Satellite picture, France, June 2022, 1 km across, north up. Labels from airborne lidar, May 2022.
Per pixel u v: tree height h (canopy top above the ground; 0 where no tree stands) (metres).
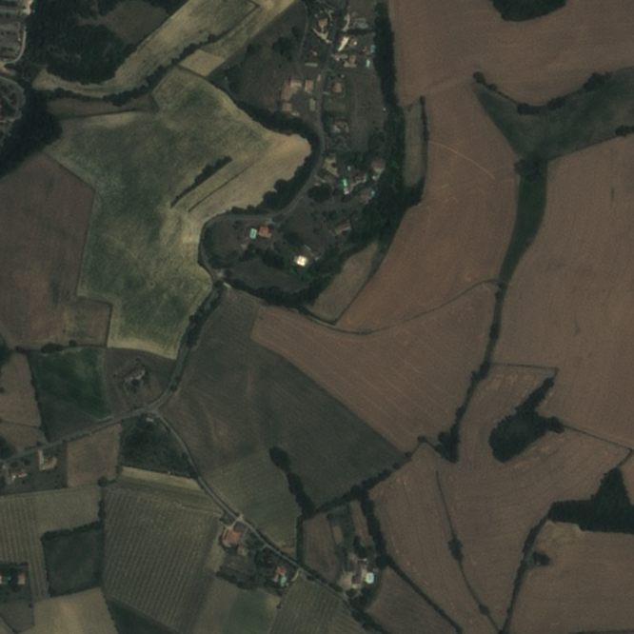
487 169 0
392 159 7
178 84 0
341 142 6
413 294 0
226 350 0
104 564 0
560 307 0
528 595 0
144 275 0
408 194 7
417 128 0
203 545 0
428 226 0
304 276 11
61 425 0
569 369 0
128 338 0
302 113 0
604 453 0
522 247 0
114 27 0
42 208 0
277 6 0
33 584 0
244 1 0
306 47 7
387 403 0
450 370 0
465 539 0
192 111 0
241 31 0
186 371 0
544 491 0
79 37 13
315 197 17
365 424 0
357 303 0
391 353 0
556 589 0
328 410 0
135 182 0
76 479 0
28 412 0
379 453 0
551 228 0
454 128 0
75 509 0
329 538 0
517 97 0
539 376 0
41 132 10
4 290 0
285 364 0
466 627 0
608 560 0
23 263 0
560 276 0
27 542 0
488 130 0
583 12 0
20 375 0
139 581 0
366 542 0
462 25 0
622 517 12
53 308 0
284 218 9
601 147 0
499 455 17
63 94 16
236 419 0
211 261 9
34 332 0
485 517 0
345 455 0
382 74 11
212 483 0
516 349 0
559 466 0
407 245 0
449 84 0
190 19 0
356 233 9
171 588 0
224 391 0
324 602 0
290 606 0
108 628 0
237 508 0
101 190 0
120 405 0
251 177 0
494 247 0
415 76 0
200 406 0
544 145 0
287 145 0
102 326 0
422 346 0
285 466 23
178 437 0
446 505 0
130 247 0
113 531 0
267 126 14
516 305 0
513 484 0
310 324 0
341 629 0
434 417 0
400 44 0
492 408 0
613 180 0
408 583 8
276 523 0
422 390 0
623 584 0
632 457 0
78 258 0
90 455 0
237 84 8
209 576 0
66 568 0
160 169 0
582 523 9
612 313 0
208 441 0
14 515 0
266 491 0
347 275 0
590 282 0
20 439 0
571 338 0
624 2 0
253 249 10
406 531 0
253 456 0
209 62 0
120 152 0
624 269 0
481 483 0
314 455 0
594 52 0
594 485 0
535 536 9
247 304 0
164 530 0
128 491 0
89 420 0
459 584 0
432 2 0
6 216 0
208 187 0
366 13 0
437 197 0
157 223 0
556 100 9
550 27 0
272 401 0
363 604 10
